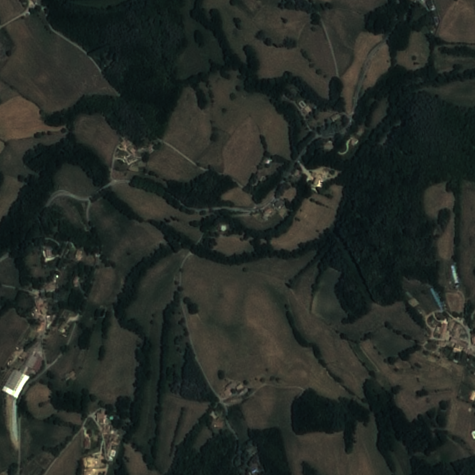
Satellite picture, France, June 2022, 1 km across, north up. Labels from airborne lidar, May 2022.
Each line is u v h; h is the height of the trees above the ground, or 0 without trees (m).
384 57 0
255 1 0
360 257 22
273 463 17
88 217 0
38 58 0
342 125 10
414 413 0
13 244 23
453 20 0
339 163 21
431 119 20
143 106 18
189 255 0
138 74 17
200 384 17
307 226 0
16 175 0
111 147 0
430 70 21
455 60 0
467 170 18
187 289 0
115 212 0
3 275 0
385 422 24
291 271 0
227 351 0
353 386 0
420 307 0
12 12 0
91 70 0
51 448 8
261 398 0
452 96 0
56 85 0
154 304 0
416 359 0
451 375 0
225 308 0
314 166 17
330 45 0
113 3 0
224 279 0
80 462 9
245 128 0
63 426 11
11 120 0
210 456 16
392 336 0
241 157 0
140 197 0
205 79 17
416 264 17
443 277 0
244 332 0
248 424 0
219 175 12
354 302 14
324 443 0
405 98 18
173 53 16
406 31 19
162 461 0
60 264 17
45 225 16
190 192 14
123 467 16
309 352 0
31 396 0
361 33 0
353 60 0
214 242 10
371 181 25
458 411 0
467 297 0
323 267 15
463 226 0
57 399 16
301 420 18
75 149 18
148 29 22
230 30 0
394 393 10
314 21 12
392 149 29
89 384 0
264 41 22
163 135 8
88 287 15
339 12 0
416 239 16
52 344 0
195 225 18
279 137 0
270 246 15
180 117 0
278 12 0
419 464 13
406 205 24
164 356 19
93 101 16
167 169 0
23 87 0
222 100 0
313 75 0
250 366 0
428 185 17
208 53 0
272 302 0
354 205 22
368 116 11
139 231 0
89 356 0
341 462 0
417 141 22
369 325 0
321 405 19
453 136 15
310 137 17
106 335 11
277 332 0
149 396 0
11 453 0
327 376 0
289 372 0
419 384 0
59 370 0
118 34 22
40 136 13
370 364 0
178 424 7
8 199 0
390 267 18
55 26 12
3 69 0
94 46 10
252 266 0
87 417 9
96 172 24
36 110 0
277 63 0
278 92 10
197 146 0
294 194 0
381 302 14
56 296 17
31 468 0
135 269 15
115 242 0
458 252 8
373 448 0
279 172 10
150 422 0
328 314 0
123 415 17
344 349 0
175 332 0
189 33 0
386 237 22
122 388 0
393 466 14
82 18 11
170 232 25
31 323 7
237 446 7
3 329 0
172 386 16
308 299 0
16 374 0
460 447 0
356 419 30
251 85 12
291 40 24
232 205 13
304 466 9
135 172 0
